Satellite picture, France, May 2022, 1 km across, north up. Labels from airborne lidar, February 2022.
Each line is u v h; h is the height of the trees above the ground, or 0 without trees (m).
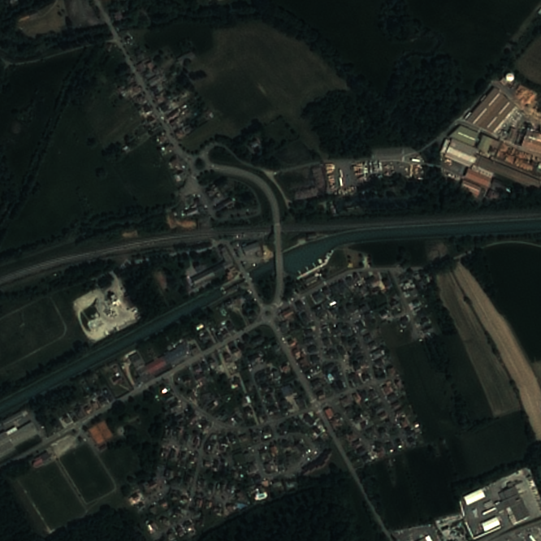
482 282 9
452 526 0
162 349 0
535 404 0
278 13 19
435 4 0
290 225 0
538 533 0
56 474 0
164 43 0
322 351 0
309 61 0
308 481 11
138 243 0
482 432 0
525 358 0
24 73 0
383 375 7
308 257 0
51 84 0
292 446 0
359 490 0
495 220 0
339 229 0
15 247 0
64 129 0
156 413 0
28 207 0
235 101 0
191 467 0
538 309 0
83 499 0
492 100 0
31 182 17
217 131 0
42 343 0
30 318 0
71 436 0
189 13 10
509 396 0
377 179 16
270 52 0
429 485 0
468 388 0
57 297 0
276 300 0
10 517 22
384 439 0
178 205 0
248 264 0
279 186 0
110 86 0
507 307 0
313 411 0
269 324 0
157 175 0
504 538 0
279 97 0
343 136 13
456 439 0
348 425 0
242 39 0
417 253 0
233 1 0
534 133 0
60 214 0
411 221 0
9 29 19
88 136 0
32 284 0
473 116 0
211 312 21
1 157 11
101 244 0
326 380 0
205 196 0
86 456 0
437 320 0
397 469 0
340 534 25
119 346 0
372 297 8
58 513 0
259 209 0
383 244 0
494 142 0
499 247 0
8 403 0
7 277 0
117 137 0
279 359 0
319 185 0
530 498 0
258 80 0
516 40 0
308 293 0
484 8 0
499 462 0
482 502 0
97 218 12
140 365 0
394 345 0
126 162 0
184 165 0
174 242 0
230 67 0
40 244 10
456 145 0
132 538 22
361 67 0
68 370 0
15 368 0
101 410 0
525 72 0
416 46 0
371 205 15
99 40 13
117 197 0
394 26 27
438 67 20
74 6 0
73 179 0
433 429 0
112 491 0
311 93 0
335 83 0
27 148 0
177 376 0
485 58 0
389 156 0
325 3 0
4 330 0
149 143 0
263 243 0
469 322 0
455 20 0
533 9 0
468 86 0
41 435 0
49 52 0
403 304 0
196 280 0
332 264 0
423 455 0
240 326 0
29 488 0
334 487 22
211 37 0
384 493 0
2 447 0
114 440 0
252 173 0
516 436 0
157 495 0
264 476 0
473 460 0
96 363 0
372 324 0
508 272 0
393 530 0
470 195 14
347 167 0
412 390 0
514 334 0
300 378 0
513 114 0
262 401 0
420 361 0
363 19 0
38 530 0
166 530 0
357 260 0
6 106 0
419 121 20
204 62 0
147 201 0
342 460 0
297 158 0
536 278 0
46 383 0
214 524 0
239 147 15
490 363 0
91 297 0
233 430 0
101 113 0
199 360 0
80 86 24
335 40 0
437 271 15
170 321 0
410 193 19
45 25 0
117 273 18
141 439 0
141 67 0
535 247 0
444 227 0
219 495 0
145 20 21
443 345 7
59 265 0
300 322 8
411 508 0
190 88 20
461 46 0
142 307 18
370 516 11
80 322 0
